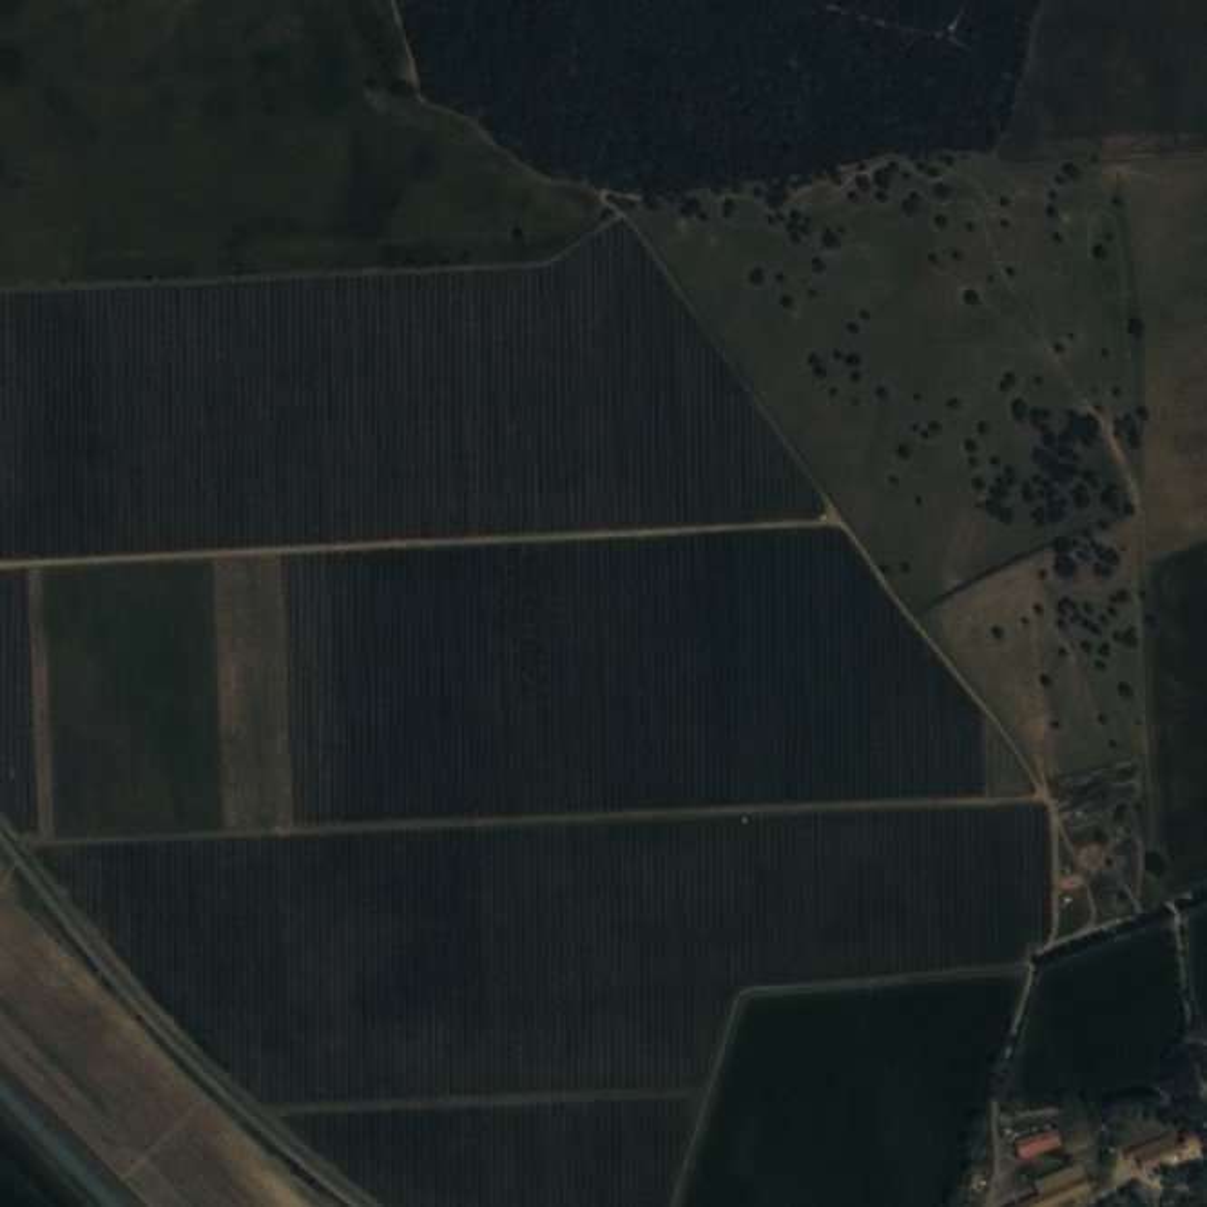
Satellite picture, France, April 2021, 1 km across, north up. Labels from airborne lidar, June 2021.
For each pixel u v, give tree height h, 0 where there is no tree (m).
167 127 0
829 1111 0
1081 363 0
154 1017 0
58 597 0
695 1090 0
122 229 0
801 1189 0
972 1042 0
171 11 0
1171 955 6
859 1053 0
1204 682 0
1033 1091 0
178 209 0
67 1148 0
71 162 0
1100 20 0
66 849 0
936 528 0
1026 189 0
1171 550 0
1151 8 0
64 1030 0
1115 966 0
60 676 0
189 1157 0
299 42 0
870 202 0
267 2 0
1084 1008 0
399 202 0
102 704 0
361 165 0
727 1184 0
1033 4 6
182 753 0
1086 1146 0
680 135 6
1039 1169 0
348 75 0
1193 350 0
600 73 6
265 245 0
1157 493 0
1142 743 0
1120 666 0
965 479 0
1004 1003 0
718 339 0
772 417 0
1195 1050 11
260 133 0
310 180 0
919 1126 0
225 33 0
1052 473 5
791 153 12
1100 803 0
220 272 0
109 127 0
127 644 0
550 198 0
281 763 0
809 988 0
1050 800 0
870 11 6
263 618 0
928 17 7
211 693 0
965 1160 6
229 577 0
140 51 0
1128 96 0
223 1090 0
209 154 0
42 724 0
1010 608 0
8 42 0
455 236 0
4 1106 0
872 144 5
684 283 0
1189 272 0
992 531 0
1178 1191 12
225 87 0
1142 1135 0
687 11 7
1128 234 0
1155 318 0
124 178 0
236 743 0
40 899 0
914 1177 0
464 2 5
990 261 0
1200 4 0
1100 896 0
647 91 6
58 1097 0
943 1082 0
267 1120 0
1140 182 0
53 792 0
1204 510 0
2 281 0
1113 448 0
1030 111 0
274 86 0
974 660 0
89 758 0
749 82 6
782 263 0
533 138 7
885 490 0
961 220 0
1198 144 0
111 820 0
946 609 0
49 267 0
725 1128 0
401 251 0
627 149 6
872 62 6
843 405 0
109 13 0
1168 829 0
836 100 6
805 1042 0
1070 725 0
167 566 0
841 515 0
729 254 0
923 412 0
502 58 6
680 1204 0
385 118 0
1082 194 0
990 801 0
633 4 6
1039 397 0
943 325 0
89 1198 0
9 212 0
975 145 6
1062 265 0
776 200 6
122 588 0
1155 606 0
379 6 0
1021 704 0
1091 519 0
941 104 6
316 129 0
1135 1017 0
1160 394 0
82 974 0
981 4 6
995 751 0
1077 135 0
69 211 0
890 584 0
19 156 0
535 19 6
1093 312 0
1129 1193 8
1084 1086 0
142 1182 0
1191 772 0
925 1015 0
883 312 0
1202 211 0
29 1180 0
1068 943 0
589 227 0
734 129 6
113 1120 0
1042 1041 0
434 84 5
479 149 0
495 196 0
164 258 0
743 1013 0
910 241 0
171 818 0
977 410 0
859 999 0
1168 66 0
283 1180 0
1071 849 0
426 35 6
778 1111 0
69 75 0
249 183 0
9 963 0
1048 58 0
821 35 7
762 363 0
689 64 7
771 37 6
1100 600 0
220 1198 0
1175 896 0
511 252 0
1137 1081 0
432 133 0
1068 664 0
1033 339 0
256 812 0
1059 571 6
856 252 0
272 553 0
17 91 0
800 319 0
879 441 0
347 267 0
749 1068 0
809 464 0
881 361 0
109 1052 0
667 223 0
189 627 0
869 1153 0
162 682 0
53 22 0
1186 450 0
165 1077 0
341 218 0
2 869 0
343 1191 0
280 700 0
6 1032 0
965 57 6
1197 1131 13
